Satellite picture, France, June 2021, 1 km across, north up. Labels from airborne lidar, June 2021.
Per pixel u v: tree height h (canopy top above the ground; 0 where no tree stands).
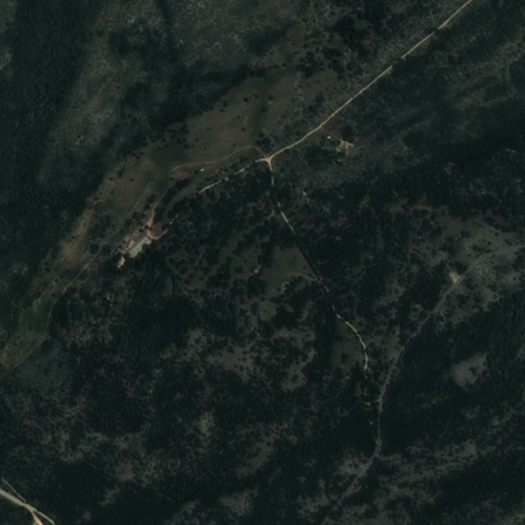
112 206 0
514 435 6
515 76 8
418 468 7
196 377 9
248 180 7
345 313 8
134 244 0
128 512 11
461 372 0
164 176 0
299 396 6
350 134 8
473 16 6
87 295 8
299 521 8
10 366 0
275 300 9
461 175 6
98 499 6
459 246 0
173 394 6
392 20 7
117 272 8
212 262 13
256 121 0
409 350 12
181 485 14
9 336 5
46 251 8
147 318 12
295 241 7
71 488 12
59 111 14
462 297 9
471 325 8
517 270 6
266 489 7
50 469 8
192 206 11
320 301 10
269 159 0
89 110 0
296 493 8
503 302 11
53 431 8
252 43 7
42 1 11
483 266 0
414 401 7
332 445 7
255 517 8
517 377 6
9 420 10
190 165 0
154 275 8
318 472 7
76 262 0
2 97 8
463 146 9
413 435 7
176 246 7
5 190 6
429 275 7
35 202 8
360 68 6
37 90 14
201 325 9
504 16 9
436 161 10
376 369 9
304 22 6
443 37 6
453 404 7
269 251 10
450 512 6
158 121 10
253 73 11
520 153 10
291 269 0
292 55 0
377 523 0
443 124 9
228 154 0
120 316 10
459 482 7
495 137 13
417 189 14
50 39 9
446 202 12
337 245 11
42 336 0
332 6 7
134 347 11
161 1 9
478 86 7
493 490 8
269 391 8
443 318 7
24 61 12
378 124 6
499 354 11
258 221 6
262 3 0
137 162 0
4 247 6
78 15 8
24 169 11
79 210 7
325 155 9
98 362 10
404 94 6
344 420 14
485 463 7
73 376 8
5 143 12
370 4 8
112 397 9
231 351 7
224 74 9
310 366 10
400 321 8
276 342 9
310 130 0
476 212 10
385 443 8
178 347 11
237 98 0
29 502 10
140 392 10
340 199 6
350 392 9
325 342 9
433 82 7
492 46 7
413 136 9
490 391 7
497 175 6
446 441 6
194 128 0
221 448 7
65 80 9
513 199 8
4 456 9
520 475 6
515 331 9
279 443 7
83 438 5
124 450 7
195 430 6
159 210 11
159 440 6
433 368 7
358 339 6
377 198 10
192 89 6
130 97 8
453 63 5
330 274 12
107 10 0
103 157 5
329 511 9
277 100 0
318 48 7
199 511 6
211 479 5
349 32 14
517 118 14
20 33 7
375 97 8
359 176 6
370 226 10
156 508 11
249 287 8
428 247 6
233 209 12
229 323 11
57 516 7
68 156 6
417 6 6
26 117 5
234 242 0
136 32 6
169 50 8
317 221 7
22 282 9
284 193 9
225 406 8
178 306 10
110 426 9
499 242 0
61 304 9
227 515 7
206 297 7
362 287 8
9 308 7
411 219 7
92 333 5
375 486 6
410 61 6
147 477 6
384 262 7
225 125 0
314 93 0
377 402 7
